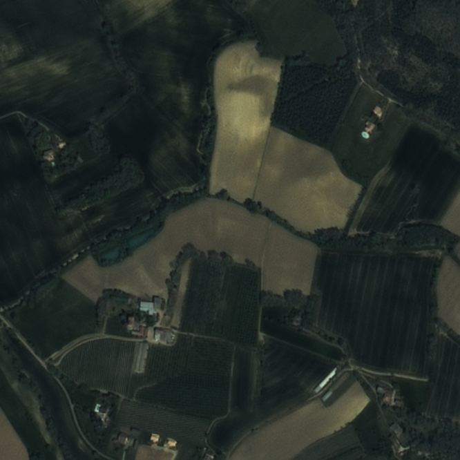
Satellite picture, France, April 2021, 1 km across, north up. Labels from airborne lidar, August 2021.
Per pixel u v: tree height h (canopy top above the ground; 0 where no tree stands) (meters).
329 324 0
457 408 0
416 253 0
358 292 0
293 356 0
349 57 6
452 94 8
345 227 0
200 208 0
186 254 16
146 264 0
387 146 0
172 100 0
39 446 0
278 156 0
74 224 0
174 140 0
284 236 0
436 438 21
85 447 0
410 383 0
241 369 0
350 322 0
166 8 0
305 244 0
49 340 0
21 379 11
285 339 0
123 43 0
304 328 16
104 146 8
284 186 0
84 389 13
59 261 0
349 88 9
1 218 0
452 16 16
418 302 0
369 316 0
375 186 0
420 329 0
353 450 6
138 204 0
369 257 0
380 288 0
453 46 14
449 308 0
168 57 0
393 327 0
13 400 0
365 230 0
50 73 0
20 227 0
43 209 0
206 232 0
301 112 12
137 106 0
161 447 0
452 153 0
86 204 18
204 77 0
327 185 0
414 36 7
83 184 0
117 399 11
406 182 0
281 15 0
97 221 0
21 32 0
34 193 0
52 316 0
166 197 0
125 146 0
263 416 0
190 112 0
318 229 0
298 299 22
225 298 0
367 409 0
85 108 0
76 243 0
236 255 0
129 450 8
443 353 0
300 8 0
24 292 0
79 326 0
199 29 0
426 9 14
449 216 0
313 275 0
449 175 0
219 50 15
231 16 0
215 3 0
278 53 0
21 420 0
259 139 0
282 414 0
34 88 0
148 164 0
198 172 0
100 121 0
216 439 0
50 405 0
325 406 0
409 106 18
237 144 0
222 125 0
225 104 0
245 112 0
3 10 0
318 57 0
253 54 0
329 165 0
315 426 0
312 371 0
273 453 0
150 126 0
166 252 0
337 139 0
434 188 0
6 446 0
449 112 13
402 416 17
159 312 0
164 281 0
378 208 0
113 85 0
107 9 0
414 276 0
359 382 13
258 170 0
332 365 0
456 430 12
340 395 0
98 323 6
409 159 0
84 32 0
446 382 0
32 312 0
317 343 0
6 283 0
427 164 0
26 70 0
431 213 0
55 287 22
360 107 0
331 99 10
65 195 0
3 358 0
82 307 0
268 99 0
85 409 7
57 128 0
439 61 8
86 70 0
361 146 0
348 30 17
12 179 0
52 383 0
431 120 17
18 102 0
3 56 0
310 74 13
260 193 0
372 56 9
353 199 0
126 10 0
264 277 0
